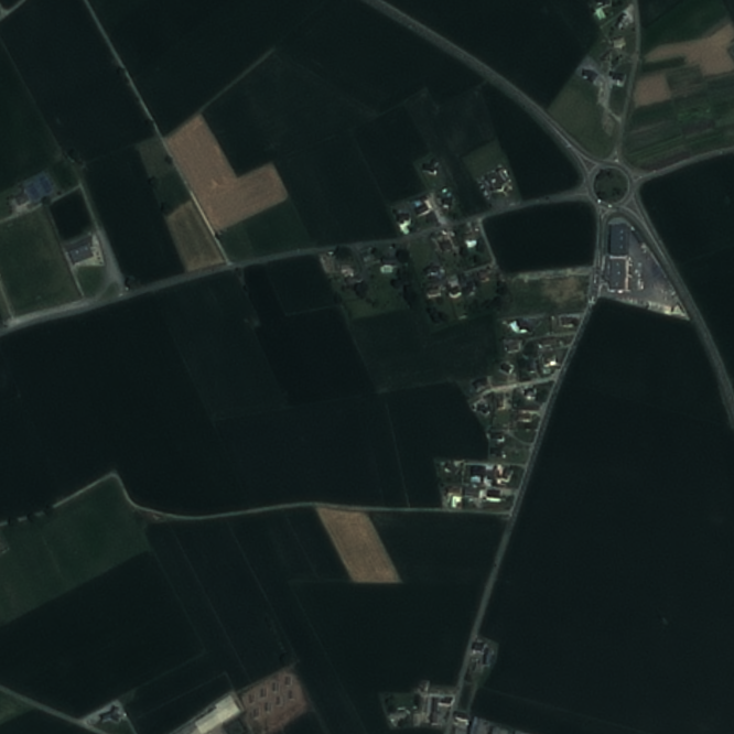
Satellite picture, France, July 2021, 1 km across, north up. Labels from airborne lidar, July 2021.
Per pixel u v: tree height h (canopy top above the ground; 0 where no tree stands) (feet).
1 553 0
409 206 0
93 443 0
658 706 0
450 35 0
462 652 0
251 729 0
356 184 0
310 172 0
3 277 0
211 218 0
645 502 0
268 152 0
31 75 0
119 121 0
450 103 0
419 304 42
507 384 0
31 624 0
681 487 0
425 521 0
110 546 0
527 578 0
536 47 0
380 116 0
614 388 0
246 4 0
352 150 0
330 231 0
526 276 0
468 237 0
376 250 41
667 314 0
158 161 0
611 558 0
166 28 0
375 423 0
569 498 0
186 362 0
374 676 0
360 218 0
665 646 0
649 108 0
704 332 0
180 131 0
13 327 0
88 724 0
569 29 0
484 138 0
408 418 0
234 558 0
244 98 0
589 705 0
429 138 0
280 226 0
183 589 0
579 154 0
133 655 0
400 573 0
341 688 0
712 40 0
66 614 0
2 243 0
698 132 0
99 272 0
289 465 0
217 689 0
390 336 0
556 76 0
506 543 0
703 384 0
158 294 0
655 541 0
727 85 0
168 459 0
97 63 0
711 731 0
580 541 0
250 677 0
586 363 0
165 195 0
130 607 0
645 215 0
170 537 0
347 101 0
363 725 0
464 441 0
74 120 0
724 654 0
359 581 0
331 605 0
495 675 0
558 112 0
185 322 0
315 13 0
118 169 0
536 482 0
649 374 0
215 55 0
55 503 0
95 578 0
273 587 0
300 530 0
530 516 0
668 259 0
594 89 0
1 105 0
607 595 0
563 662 0
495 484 23
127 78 18
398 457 0
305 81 0
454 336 0
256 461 0
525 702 0
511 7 0
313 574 0
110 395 0
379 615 0
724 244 0
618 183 0
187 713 0
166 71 0
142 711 0
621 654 0
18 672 0
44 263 0
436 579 0
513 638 0
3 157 0
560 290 0
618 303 0
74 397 0
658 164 0
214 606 0
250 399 0
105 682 0
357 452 0
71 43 0
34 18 0
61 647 0
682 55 0
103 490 0
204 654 0
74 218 0
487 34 0
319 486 0
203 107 0
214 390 0
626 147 0
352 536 0
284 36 0
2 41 0
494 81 0
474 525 0
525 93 0
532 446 0
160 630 0
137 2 0
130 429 0
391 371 0
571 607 0
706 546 0
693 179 0
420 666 0
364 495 0
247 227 0
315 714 0
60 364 0
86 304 0
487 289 0
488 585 0
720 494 0
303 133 0
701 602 0
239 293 0
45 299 0
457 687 0
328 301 0
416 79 0
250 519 0
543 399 36
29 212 0
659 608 0
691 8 0
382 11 0
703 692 0
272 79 0
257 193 0
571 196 0
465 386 0
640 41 0
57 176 0
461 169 0
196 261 0
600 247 0
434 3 0
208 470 0
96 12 0
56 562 0
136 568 0
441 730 0
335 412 0
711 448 0
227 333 0
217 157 0
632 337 0
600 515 0
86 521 0
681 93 0
